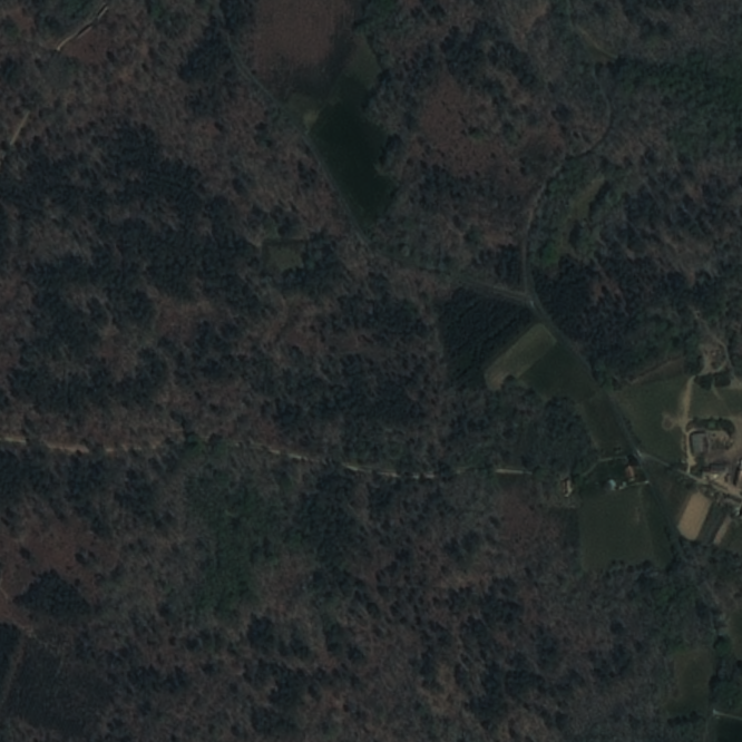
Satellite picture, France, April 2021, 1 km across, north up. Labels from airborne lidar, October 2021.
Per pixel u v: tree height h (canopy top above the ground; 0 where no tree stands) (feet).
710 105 48
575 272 34
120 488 68
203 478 75
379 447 26
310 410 58
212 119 44
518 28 31
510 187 0
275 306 68
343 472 51
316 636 48
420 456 50
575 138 26
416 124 73
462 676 48
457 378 29
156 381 82
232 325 42
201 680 26
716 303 92
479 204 27
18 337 33
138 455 61
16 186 56
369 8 44
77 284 85
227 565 70
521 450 26
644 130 49
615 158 65
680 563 37
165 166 35
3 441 45
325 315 42
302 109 0
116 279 87
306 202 56
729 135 44
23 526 49
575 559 47
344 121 0
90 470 40
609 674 87
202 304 29
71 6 53
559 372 0
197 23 47
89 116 54
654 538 0
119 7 44
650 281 55
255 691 70
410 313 53
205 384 21
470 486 37
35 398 96
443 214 58
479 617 60
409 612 44
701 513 0
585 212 0
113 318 63
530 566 34
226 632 54
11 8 46
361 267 61
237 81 32
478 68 85
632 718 64
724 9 46
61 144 56
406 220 33
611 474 0
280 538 74
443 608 58
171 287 82
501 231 34
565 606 26
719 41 48
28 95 40
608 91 49
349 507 60
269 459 48
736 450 0
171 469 66
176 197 56
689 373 27
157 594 49
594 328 58
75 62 40
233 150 30
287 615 46
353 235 69
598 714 59
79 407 77
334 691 74
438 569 49
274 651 84
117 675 74
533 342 0
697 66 63
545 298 31
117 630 52
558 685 36
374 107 70
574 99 61
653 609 76
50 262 27
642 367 70
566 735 94
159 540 56
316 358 69
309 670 35
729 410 0
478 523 33
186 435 79
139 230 52
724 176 24
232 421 65
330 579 63
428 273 46
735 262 28
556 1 66
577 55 88
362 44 0
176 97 39
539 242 69
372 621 57
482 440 26
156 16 73
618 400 0
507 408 29
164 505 58
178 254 78
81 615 85
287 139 57
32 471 86
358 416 57
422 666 33
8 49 30
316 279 67
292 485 66
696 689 0
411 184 33
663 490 0
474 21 41
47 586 65
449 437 24
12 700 23
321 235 24
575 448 52
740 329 18
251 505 80
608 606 40
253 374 68
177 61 49
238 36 78
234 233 53
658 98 65
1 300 31
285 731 73
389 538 65
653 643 71
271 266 0
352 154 0
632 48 61
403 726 34
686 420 0
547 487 53
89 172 19
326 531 83
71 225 47
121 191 47
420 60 53
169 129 48
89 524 78
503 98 53
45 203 57
